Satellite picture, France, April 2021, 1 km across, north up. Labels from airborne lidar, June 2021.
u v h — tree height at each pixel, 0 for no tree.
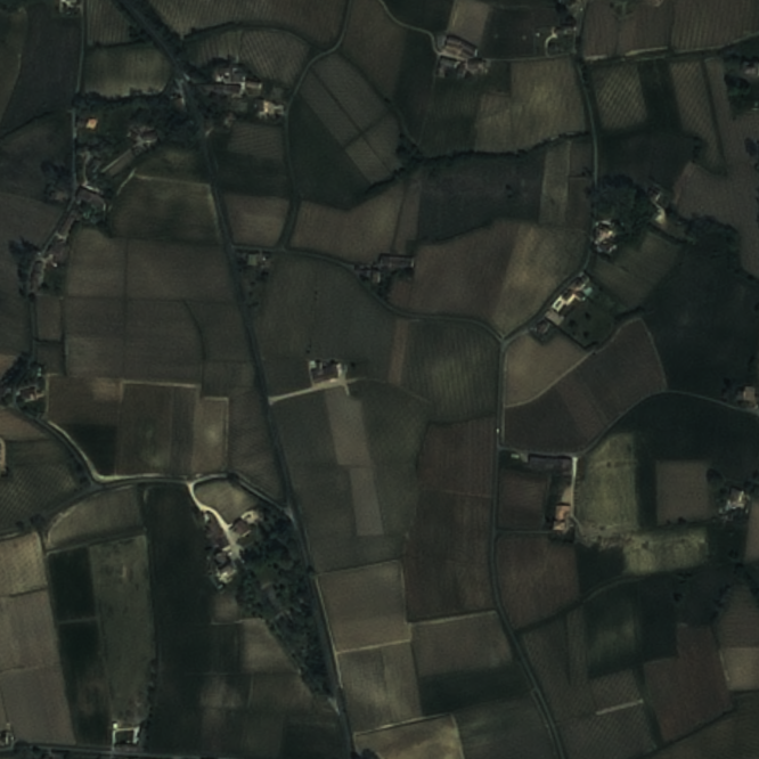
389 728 0
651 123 0
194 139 16
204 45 0
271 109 0
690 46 0
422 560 0
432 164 7
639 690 0
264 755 0
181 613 0
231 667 0
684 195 0
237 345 0
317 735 0
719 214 0
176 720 0
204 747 0
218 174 0
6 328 0
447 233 0
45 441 0
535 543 0
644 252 0
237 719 0
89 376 0
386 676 0
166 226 0
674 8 0
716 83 0
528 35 0
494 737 0
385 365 0
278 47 0
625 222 10
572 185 0
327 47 0
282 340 0
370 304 0
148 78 0
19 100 0
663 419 0
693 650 0
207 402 0
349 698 0
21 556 0
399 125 0
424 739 0
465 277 0
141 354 0
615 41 0
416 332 0
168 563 0
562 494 0
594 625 0
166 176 0
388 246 0
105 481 0
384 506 0
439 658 0
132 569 0
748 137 0
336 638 0
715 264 0
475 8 0
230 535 0
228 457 0
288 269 0
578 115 0
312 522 0
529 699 0
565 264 0
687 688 0
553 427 0
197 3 0
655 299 0
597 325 0
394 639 0
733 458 0
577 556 0
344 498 0
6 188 0
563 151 0
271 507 9
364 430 0
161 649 0
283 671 0
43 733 0
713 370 0
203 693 0
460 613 0
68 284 0
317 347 0
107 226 17
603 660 0
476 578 0
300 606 10
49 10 0
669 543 0
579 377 0
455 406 0
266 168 0
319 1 0
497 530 0
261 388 0
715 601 0
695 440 0
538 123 0
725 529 0
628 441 0
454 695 0
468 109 0
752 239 0
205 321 0
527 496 0
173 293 0
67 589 0
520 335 0
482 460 0
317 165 0
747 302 0
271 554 13
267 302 0
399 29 0
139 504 0
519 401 0
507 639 0
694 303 0
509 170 0
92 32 0
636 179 0
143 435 0
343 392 0
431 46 0
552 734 0
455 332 0
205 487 0
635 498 0
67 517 0
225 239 0
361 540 0
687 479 0
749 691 0
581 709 0
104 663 0
